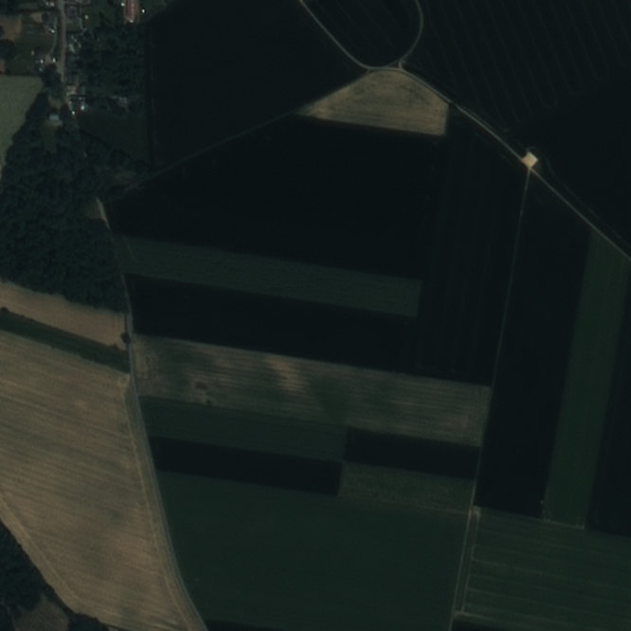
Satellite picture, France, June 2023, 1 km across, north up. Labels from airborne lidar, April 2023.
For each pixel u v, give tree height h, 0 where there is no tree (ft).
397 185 0
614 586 0
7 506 0
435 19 0
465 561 0
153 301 0
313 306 0
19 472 0
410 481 0
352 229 0
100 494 0
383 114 0
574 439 0
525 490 0
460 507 0
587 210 0
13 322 0
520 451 0
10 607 82
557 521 0
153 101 0
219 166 0
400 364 0
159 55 0
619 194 0
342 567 0
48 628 0
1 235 76
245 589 0
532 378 0
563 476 0
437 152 0
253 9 0
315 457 0
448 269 0
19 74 0
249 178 0
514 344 0
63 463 0
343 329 0
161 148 0
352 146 0
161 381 0
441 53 0
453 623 0
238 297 0
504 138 0
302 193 0
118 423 0
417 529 0
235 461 0
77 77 0
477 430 0
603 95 0
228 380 0
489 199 0
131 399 0
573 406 0
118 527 0
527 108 0
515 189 0
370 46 0
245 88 0
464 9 0
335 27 0
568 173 0
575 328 0
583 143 0
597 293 0
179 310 0
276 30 0
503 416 0
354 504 0
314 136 0
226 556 0
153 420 0
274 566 0
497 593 0
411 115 0
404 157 0
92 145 63
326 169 0
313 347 0
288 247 0
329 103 0
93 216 0
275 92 0
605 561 0
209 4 0
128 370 0
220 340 0
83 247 103
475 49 0
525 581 0
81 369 0
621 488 0
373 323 0
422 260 0
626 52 0
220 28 0
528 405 0
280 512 0
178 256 0
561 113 0
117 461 0
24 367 0
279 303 0
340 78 0
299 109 0
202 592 0
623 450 0
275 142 0
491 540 0
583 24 0
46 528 0
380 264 0
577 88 0
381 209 0
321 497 0
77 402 0
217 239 0
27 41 0
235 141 0
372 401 0
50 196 96
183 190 0
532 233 0
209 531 0
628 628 0
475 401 0
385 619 0
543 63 0
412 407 0
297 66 0
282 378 0
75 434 0
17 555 73
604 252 0
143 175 33
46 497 0
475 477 0
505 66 0
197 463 0
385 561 0
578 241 0
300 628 0
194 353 0
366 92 0
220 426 0
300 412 0
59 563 0
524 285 0
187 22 0
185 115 0
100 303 56
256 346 0
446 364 0
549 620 0
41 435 0
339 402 0
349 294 0
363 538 0
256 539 0
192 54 0
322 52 0
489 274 0
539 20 0
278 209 0
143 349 0
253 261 0
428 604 0
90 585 0
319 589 0
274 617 0
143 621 0
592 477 0
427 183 0
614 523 0
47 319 0
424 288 0
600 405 0
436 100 0
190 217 0
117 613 0
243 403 0
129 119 0
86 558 0
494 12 0
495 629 0
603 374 0
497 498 0
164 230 0
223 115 0
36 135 75
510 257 0
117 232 0
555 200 0
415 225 0
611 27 0
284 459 0
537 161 0
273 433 0
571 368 0
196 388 0
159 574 0
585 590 0
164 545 0
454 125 0
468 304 0
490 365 0
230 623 0
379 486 0
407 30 0
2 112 0
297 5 0
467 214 0
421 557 0
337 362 0
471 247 0
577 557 0
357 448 0
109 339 0
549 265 0
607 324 0
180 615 0
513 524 0
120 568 0
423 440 0
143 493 0
